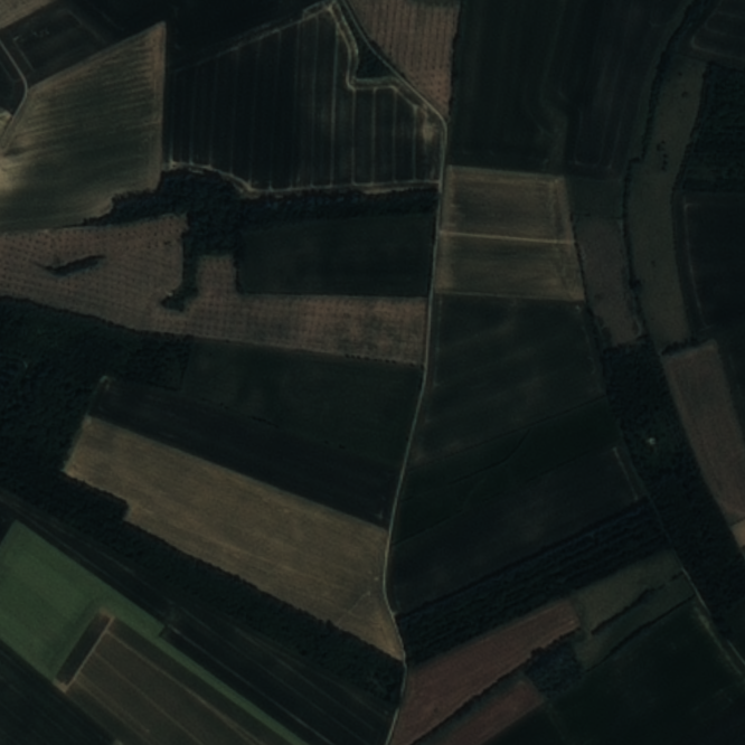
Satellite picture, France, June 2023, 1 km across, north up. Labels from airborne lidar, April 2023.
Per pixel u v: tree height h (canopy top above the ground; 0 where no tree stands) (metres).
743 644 0
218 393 0
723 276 0
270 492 0
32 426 14
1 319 8
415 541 0
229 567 0
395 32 0
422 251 0
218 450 0
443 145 0
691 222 0
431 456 0
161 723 0
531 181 0
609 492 0
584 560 8
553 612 0
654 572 0
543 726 0
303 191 0
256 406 0
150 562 8
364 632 0
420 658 7
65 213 0
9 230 0
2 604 0
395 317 0
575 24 0
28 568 0
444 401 0
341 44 0
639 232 0
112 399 0
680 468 12
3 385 13
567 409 0
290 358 0
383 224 0
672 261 0
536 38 0
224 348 0
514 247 0
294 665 0
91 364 12
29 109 0
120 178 0
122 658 0
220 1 0
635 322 0
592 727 0
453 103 6
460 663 0
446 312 0
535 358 0
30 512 0
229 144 0
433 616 8
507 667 0
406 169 0
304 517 0
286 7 0
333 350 0
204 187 23
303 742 0
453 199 0
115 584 0
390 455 0
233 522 0
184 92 0
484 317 0
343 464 0
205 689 0
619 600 0
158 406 0
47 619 0
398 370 0
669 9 0
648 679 0
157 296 0
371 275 0
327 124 0
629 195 7
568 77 0
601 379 0
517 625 0
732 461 0
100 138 0
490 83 0
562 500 0
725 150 9
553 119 0
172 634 0
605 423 0
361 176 0
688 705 0
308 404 0
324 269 0
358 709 0
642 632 7
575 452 0
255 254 0
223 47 0
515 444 0
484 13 0
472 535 0
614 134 0
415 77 0
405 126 0
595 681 0
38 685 0
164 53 0
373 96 0
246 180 0
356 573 0
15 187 0
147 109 0
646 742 0
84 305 0
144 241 0
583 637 0
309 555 0
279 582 0
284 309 0
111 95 0
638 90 0
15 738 0
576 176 0
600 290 0
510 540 0
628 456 0
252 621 7
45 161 0
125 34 0
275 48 0
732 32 0
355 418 0
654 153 0
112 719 0
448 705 0
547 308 0
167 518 0
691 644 0
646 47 0
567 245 0
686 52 0
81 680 0
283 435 0
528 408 0
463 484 0
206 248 15
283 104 0
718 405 0
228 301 0
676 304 0
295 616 13
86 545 0
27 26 0
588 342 0
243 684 0
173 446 0
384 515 0
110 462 0
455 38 7
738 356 0
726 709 0
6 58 0
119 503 7
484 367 0
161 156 0
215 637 0
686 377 0
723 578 14
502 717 0
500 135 0
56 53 0
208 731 0
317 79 0
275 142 0
